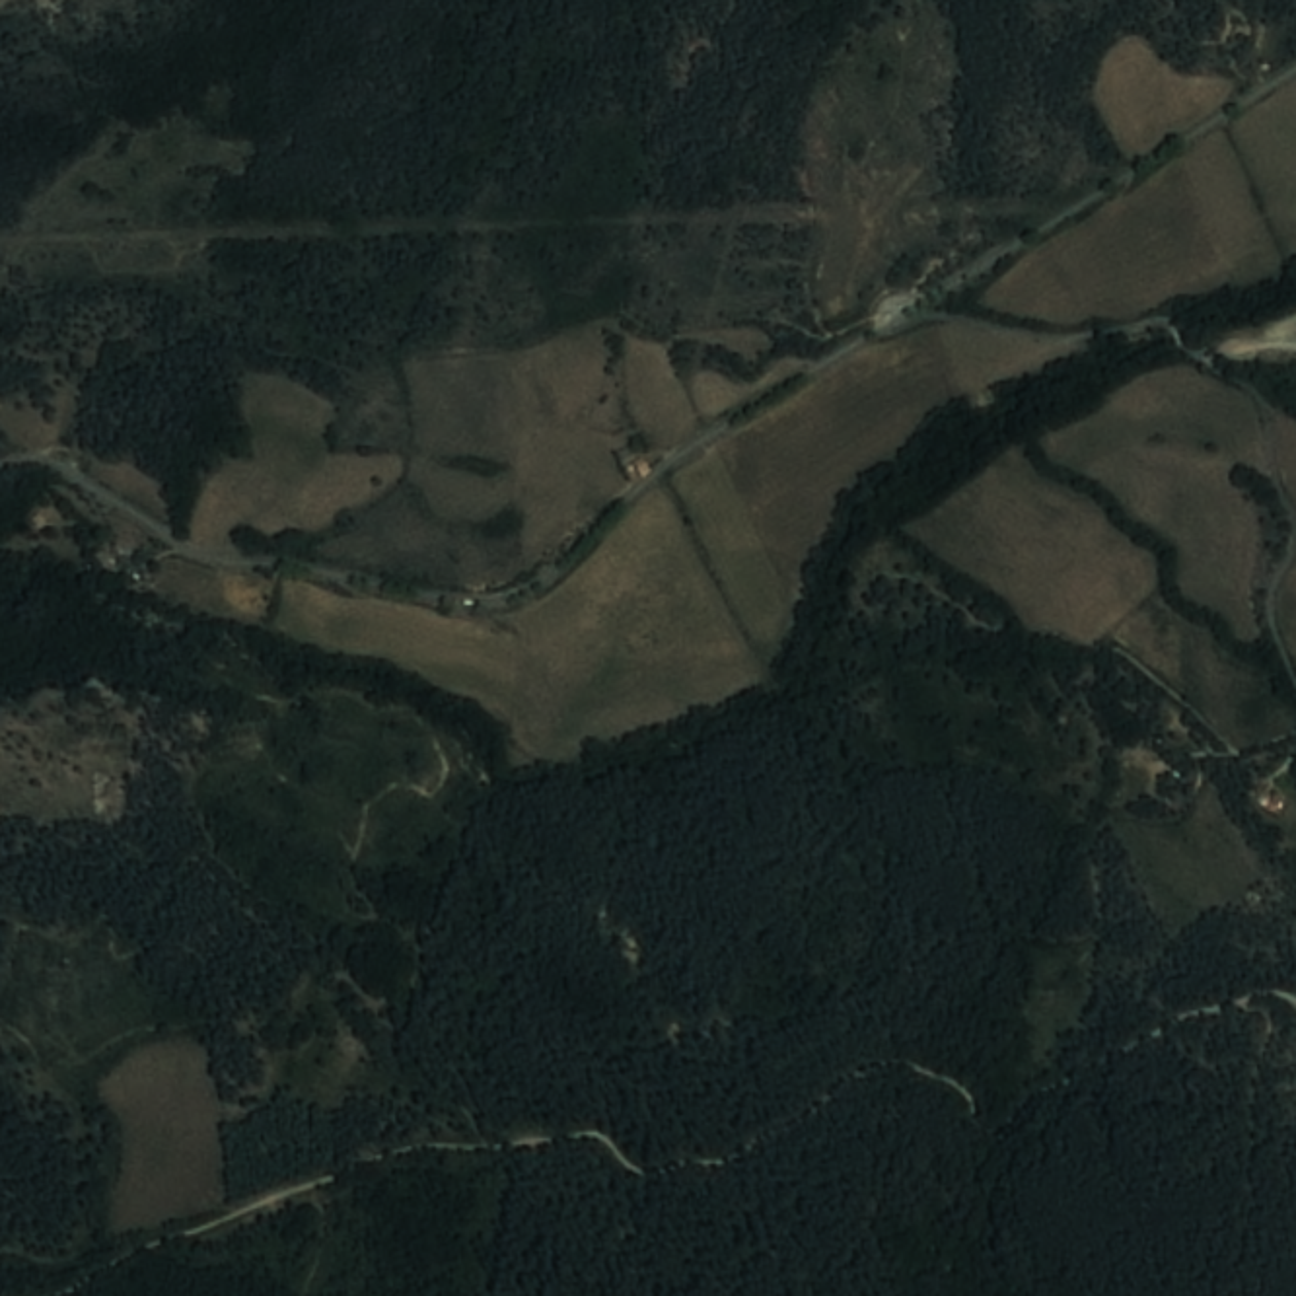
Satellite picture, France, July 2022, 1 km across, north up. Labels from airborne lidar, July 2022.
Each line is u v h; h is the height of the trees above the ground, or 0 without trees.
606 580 0
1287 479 0
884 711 0
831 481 0
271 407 0
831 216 0
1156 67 0
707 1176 22
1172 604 11
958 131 16
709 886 20
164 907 11
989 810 15
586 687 0
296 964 17
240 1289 14
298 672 19
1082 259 0
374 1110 11
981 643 11
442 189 10
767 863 9
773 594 0
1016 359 0
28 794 0
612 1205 20
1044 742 0
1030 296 0
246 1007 16
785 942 12
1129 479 0
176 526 13
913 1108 17
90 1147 12
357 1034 10
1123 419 0
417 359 0
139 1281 12
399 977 19
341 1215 7
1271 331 0
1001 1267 24
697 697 0
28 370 15
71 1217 19
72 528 8
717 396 0
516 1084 19
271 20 12
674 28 12
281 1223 10
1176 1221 19
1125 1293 24
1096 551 0
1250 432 0
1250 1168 16
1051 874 16
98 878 15
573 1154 17
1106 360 12
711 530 0
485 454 0
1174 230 0
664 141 12
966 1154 23
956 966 15
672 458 0
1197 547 0
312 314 12
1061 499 0
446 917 18
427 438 0
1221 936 12
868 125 0
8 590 11
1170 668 0
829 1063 19
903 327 0
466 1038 18
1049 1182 19
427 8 14
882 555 0
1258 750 8
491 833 18
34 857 14
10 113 8
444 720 10
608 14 14
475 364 0
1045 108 9
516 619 0
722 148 14
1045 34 8
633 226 0
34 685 10
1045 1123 17
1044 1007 0
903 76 0
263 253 12
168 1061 0
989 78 17
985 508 0
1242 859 0
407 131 13
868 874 19
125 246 0
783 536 0
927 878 16
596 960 13
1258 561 0
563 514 0
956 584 15
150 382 14
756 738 20
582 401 0
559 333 0
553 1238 21
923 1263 18
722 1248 22
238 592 0
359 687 8
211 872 11
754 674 0
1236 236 0
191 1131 0
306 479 0
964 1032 17
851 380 0
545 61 8
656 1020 24
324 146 12
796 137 15
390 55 13
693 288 0
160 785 12
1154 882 0
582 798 18
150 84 11
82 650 10
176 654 16
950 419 12
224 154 0
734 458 0
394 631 0
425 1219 9
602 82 11
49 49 6
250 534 11
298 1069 0
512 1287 21
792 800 15
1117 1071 18
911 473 13
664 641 0
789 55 13
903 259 11
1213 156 0
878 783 16
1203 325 17
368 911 13
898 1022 17
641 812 11
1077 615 0
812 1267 23
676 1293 11
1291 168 0
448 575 0
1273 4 9
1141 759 0
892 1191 23
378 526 0
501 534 0
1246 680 0
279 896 6
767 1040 20
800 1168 19
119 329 6
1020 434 17
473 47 13
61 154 13
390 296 6
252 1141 15
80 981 6
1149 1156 14
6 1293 12
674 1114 20
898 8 14
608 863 13
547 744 0
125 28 11
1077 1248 20
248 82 10
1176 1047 14
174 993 10
